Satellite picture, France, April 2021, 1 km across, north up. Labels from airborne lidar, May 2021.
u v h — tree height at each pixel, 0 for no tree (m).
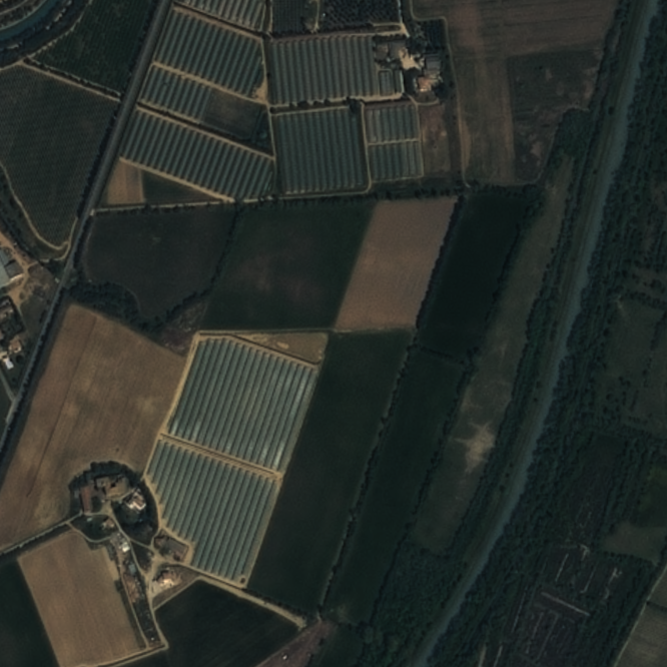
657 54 9
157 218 0
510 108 0
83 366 0
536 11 0
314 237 0
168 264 0
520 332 0
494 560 10
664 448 7
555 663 0
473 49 0
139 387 0
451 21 0
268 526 0
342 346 0
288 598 0
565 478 10
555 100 0
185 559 0
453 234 12
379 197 16
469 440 0
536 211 9
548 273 7
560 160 7
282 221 0
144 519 12
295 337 0
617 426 10
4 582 0
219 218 0
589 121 12
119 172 0
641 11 0
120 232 0
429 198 13
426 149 0
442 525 0
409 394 0
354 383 0
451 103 0
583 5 0
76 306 0
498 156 0
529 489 8
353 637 0
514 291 0
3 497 0
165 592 0
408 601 18
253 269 0
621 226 9
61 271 10
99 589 0
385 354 0
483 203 0
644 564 8
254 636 0
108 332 0
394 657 13
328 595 10
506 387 0
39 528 0
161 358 0
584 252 0
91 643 0
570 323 0
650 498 0
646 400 0
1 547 0
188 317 0
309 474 0
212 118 0
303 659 0
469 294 0
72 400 0
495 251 0
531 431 0
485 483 7
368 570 0
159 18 0
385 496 0
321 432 0
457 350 0
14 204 9
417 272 0
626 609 9
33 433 0
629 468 7
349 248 0
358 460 0
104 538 0
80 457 0
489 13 0
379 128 0
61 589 0
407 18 11
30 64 9
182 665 0
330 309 0
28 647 0
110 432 0
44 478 0
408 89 11
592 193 0
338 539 0
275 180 0
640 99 8
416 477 0
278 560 0
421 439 0
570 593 9
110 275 0
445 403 0
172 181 0
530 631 0
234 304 0
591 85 0
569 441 9
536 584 7
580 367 14
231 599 0
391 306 0
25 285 0
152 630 0
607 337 10
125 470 8
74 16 6
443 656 16
